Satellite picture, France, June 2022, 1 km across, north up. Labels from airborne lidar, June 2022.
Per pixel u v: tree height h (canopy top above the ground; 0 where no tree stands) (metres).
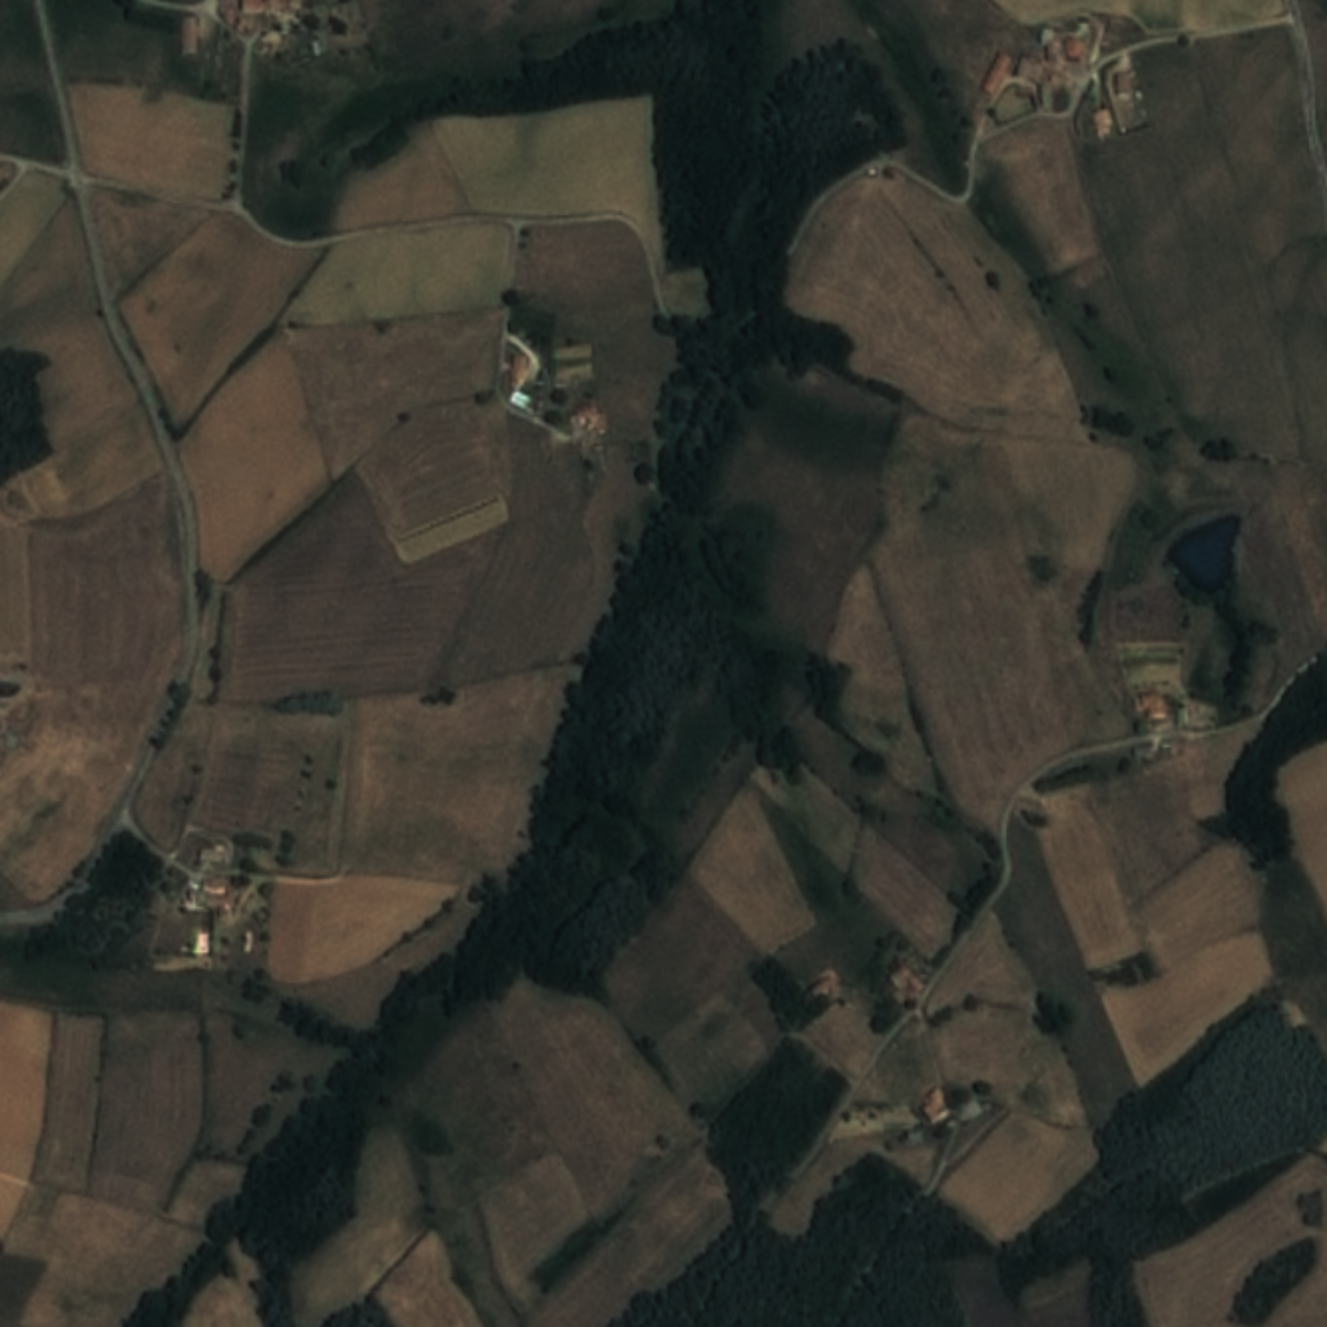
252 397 0
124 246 0
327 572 0
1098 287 0
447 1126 0
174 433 6
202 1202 0
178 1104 0
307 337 0
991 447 0
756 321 8
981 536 0
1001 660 0
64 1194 0
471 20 0
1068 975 0
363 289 0
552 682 0
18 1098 0
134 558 0
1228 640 0
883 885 0
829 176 11
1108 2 0
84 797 0
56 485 0
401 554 0
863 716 0
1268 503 0
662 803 0
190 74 0
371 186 0
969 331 0
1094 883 0
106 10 0
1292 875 0
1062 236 0
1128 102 0
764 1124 6
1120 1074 0
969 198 0
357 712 0
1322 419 0
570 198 0
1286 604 0
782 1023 9
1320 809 0
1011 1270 6
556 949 13
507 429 0
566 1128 0
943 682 0
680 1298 13
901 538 0
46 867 0
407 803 0
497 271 0
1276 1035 14
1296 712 9
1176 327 0
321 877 0
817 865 0
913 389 0
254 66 0
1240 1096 12
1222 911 0
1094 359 0
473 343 0
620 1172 0
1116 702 0
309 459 0
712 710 0
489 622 0
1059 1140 0
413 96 0
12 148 0
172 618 0
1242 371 0
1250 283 0
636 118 0
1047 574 0
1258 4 0
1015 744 0
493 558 0
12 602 0
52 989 0
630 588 21
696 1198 0
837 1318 10
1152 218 0
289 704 15
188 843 0
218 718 0
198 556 0
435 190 0
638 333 0
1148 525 10
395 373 0
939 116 0
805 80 9
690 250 17
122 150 0
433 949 0
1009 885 0
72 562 0
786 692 0
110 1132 0
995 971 0
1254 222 0
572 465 0
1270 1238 0
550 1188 0
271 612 0
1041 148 0
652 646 17
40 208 0
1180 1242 8
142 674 0
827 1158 0
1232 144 0
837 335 14
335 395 0
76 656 0
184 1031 0
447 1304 0
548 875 21
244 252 0
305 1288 0
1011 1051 0
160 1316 23
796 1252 13
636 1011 0
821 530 0
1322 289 0
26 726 0
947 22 0
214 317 0
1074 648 0
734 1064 0
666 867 12
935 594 0
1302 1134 12
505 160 0
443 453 0
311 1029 23
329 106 0
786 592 0
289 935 0
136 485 0
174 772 0
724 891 0
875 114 7
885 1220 12
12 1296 0
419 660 0
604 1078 0
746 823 0
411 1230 0
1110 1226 12
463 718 0
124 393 0
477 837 0
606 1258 0
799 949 0
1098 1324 9
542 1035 0
